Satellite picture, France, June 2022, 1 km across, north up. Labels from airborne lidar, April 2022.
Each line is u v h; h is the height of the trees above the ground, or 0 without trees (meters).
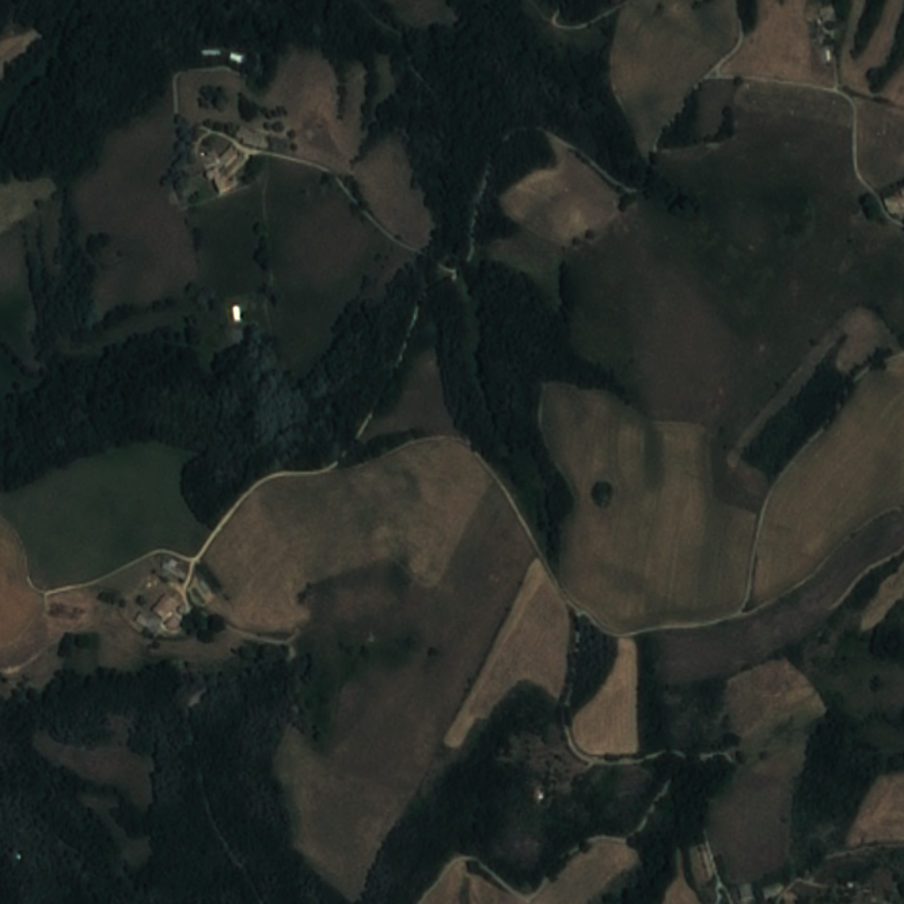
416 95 19
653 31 0
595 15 10
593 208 0
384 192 0
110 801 0
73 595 0
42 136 13
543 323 16
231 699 10
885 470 0
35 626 0
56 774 8
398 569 0
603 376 7
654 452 0
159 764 13
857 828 0
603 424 0
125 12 15
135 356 23
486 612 0
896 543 0
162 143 0
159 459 0
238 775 14
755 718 0
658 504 0
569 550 0
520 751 0
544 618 0
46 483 0
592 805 6
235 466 22
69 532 0
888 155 0
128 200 0
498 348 14
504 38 18
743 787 0
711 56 0
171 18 11
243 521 0
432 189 15
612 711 0
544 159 7
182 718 14
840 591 0
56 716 14
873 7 9
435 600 0
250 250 0
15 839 14
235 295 0
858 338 0
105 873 15
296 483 0
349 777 0
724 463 0
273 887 10
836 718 14
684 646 0
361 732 0
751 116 0
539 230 0
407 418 0
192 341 18
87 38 21
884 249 0
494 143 10
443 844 10
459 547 0
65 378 20
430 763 0
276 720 13
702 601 0
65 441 15
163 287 0
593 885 0
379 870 12
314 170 0
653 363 0
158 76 11
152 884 10
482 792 7
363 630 0
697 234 0
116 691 11
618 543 0
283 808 12
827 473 0
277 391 22
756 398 0
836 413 8
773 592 0
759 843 0
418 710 0
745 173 0
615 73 0
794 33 0
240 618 0
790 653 6
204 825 10
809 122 0
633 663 0
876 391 0
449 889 0
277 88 0
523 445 12
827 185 0
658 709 6
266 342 25
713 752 9
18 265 0
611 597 0
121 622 0
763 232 0
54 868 15
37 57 24
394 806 0
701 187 0
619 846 0
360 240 0
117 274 0
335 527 0
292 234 0
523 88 9
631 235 0
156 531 0
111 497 0
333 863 0
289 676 7
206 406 21
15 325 0
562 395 0
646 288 0
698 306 0
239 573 0
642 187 12
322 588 0
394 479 0
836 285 0
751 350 0
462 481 0
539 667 0
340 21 19
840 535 0
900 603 7
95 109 11
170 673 19
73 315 10
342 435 17
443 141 11
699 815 6
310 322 0
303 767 0
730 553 0
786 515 0
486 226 11
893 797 0
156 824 12
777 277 0
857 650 0
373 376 18
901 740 0
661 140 8
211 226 0
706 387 0
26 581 0
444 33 29
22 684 10
